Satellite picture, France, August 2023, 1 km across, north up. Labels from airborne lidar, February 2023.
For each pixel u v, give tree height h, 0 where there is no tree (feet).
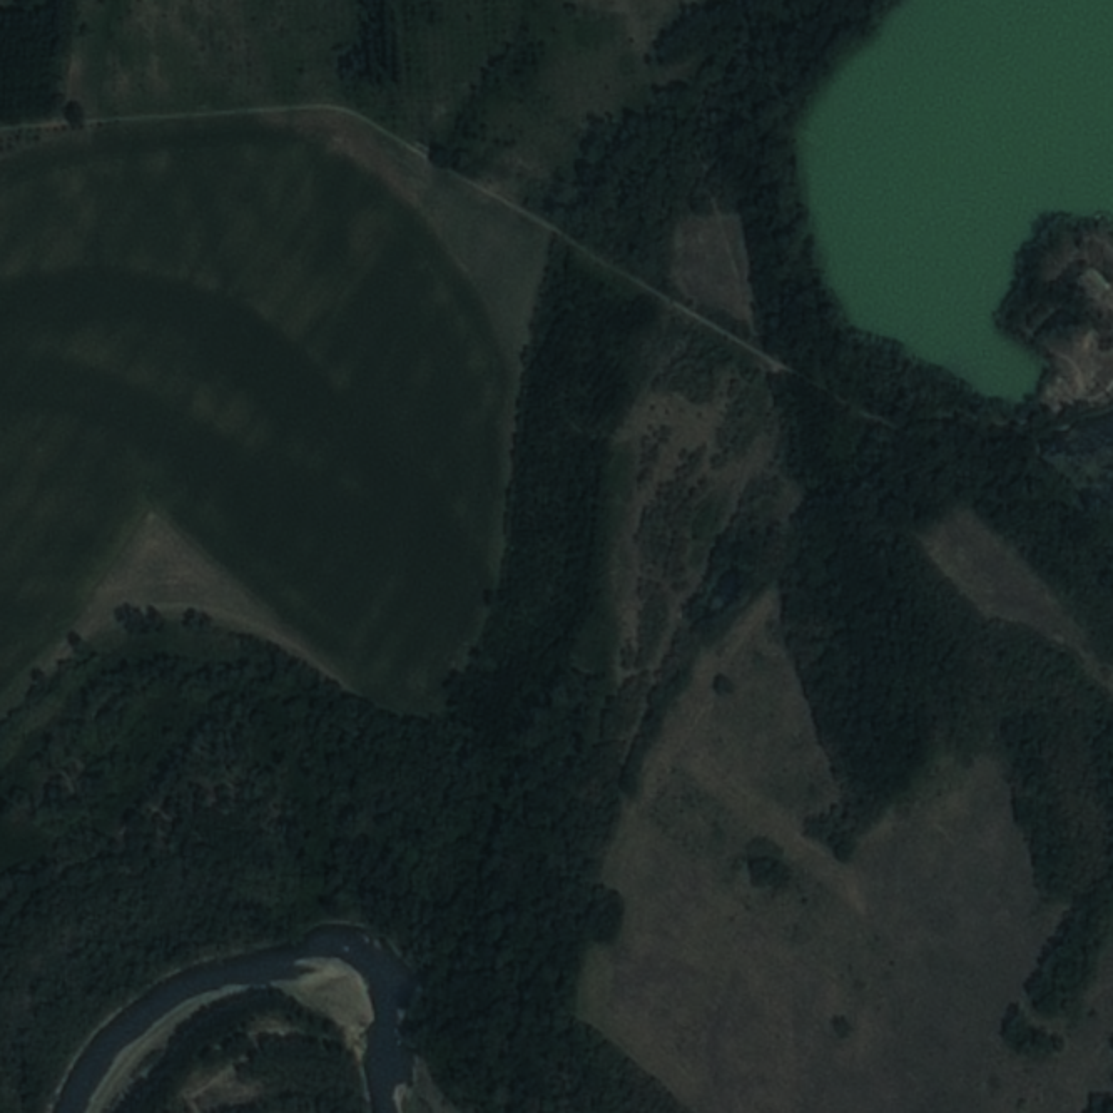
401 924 83
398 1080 0
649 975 0
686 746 0
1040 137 0
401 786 30
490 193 0
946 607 23
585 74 0
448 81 0
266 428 0
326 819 22
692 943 0
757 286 52
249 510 0
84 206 0
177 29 0
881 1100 0
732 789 0
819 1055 0
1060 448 0
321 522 0
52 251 0
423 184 0
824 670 47
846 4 58
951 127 0
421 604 0
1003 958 0
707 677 0
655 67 55
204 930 34
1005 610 0
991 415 81
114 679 41
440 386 0
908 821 0
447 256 0
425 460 0
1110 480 0
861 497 79
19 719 34
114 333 0
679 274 0
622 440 0
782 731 0
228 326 0
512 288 0
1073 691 28
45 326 0
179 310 0
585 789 41
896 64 0
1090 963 33
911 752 51
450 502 0
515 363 0
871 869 0
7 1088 56
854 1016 0
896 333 0
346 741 41
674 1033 0
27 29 62
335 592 0
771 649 0
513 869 80
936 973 0
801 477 23
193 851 51
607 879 0
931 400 41
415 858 49
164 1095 64
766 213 42
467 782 52
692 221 0
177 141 0
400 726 62
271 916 33
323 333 0
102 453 0
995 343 0
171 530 0
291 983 0
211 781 63
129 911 19
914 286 0
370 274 0
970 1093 0
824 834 29
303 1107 60
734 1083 0
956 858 0
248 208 0
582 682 58
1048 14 0
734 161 71
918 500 52
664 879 0
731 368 34
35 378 0
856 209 0
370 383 0
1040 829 34
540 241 0
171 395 0
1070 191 0
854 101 0
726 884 0
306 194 0
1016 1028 62
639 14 0
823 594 49
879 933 0
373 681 0
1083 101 0
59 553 0
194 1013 0
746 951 0
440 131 0
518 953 83
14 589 0
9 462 0
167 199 0
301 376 0
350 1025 0
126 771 53
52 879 62
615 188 99
